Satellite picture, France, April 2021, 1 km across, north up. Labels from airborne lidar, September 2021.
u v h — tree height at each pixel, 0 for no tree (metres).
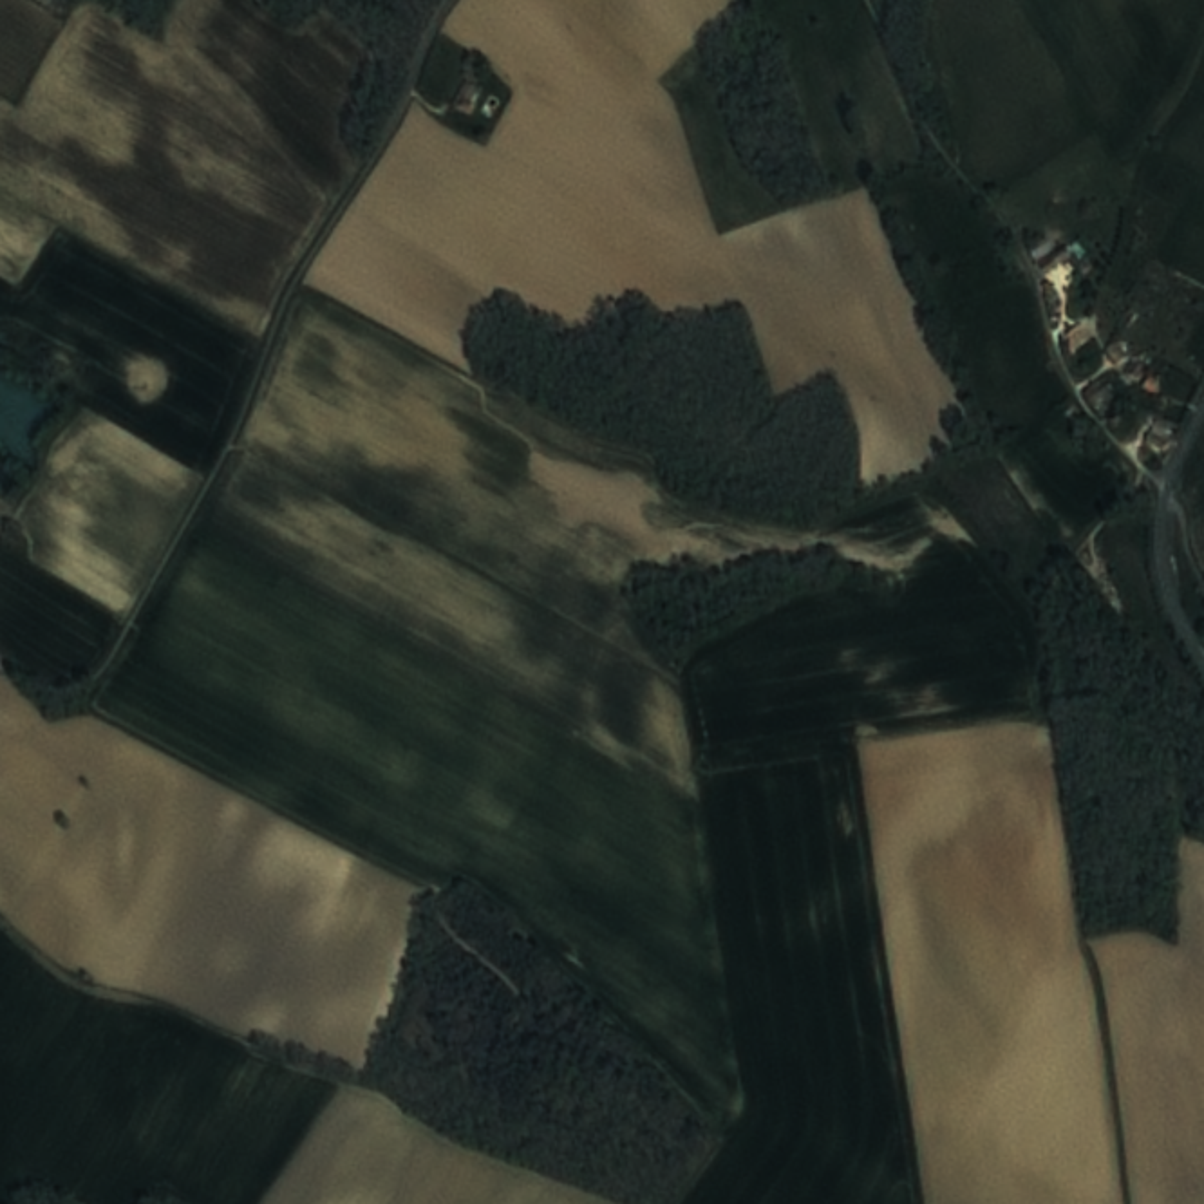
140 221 0
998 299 0
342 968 0
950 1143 0
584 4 0
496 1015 13
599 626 0
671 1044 0
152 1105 0
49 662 0
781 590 19
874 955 0
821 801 0
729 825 0
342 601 0
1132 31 0
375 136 17
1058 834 0
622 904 0
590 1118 15
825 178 19
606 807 0
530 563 0
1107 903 11
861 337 0
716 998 0
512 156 0
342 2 14
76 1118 0
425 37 14
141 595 0
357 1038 0
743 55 12
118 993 0
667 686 0
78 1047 0
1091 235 0
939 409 0
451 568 0
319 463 0
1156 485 0
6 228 0
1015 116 0
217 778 0
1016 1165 0
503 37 0
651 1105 17
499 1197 0
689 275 0
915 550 0
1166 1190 0
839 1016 0
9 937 0
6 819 0
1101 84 0
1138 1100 0
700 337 16
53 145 0
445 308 0
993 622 0
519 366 20
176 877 0
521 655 0
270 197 0
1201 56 0
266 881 0
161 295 0
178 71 0
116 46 0
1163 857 19
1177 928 9
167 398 0
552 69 0
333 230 0
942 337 30
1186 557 0
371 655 0
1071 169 0
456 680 0
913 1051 0
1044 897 0
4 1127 0
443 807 0
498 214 0
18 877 0
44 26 0
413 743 0
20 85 0
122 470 0
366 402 0
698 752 0
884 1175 0
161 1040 0
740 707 0
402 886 0
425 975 11
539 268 0
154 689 0
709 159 0
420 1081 16
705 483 7
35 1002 0
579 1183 13
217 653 0
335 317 0
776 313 0
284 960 0
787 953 0
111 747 0
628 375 20
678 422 15
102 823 0
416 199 0
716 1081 0
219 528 0
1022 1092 0
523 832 0
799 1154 0
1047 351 0
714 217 0
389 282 0
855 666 0
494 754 0
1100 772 23
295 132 0
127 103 0
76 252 0
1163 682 30
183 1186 0
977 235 0
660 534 0
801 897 0
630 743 0
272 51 0
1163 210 0
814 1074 0
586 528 0
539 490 0
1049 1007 0
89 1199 0
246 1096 0
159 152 0
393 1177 0
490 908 14
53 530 0
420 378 0
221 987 0
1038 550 0
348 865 0
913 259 17
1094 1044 0
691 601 16
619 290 0
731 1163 0
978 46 0
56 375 25
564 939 0
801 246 0
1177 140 0
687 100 0
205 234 0
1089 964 0
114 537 0
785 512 19
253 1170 0
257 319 0
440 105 0
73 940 0
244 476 0
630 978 0
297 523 0
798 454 14
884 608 0
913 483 8
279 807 0
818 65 0
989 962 0
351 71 0
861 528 0
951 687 0
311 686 0
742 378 14
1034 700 0
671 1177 15
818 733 0
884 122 0
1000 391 0
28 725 0
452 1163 0
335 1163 0
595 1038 6
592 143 0
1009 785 0
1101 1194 0
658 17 0
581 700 0
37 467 0
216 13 0
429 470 0
